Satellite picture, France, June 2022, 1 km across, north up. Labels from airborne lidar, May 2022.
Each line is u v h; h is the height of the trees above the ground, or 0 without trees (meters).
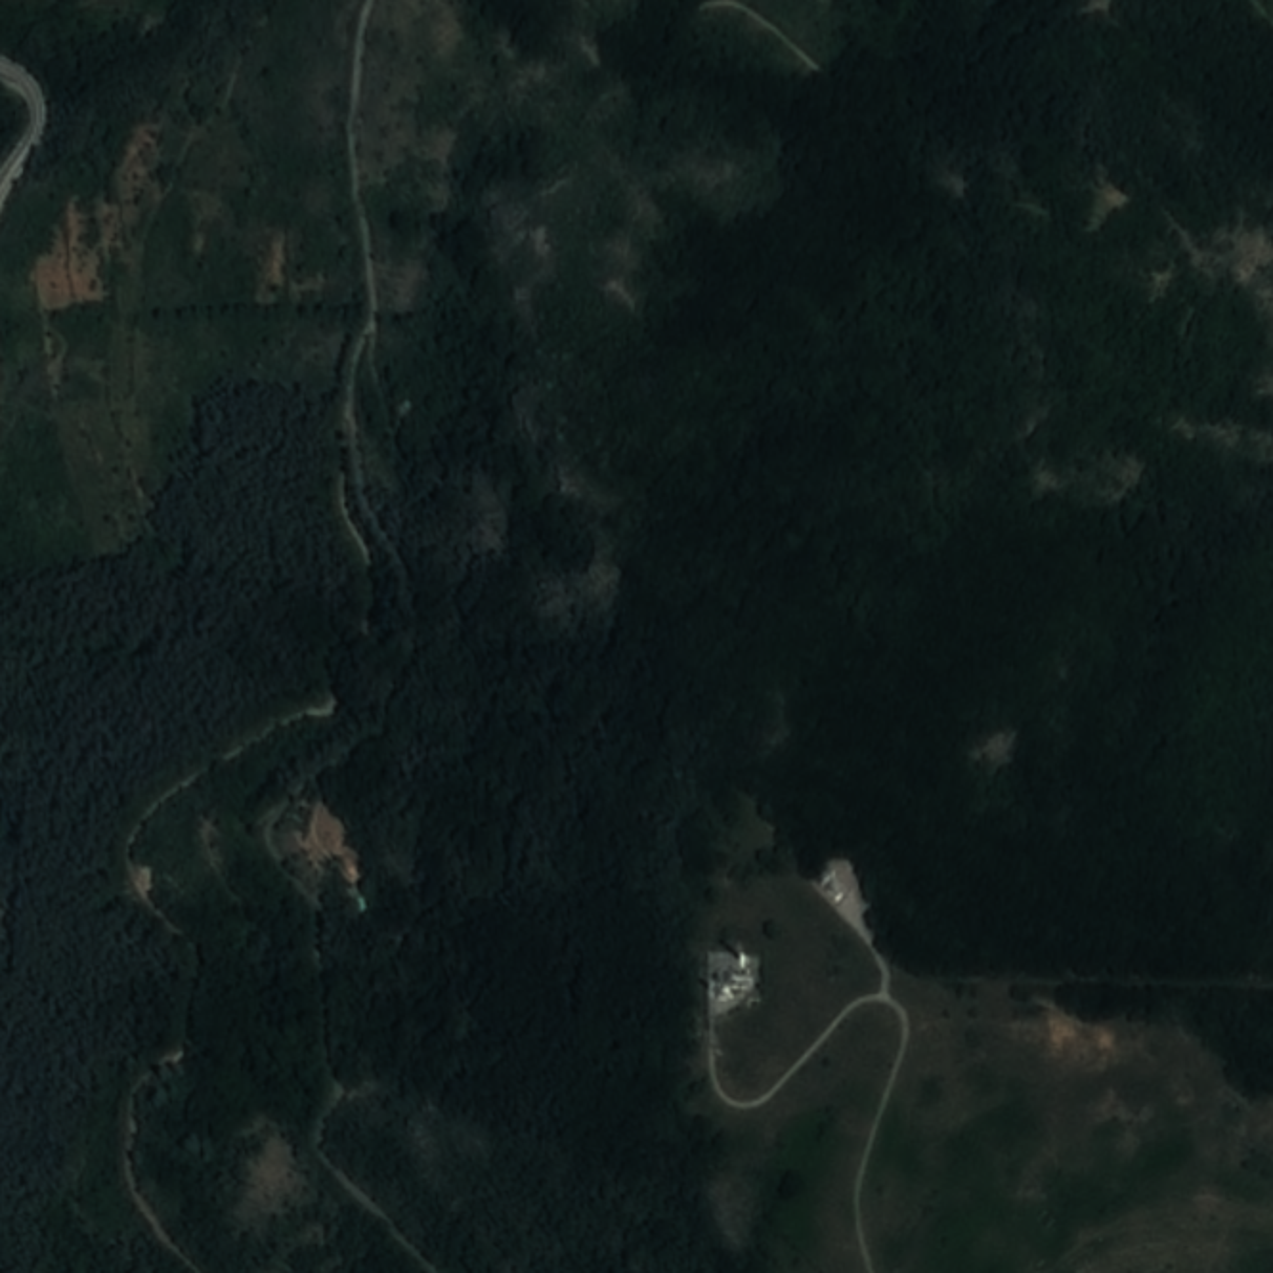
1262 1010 16
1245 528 29
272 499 22
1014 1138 0
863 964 0
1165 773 20
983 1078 0
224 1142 7
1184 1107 0
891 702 25
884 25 6
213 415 22
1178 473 12
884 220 17
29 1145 10
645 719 21
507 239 0
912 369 8
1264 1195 0
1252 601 21
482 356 6
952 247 9
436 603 20
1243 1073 8
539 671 19
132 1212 6
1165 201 7
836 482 18
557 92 7
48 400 6
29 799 21
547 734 20
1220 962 15
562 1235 11
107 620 24
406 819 9
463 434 9
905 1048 0
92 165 10
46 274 0
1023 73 23
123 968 22
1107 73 13
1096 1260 0
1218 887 10
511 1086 22
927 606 26
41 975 24
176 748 25
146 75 14
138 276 0
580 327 10
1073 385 13
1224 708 17
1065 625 17
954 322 14
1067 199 9
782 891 0
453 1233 8
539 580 8
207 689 23
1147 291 9
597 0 11
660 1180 10
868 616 14
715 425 11
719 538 16
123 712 23
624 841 14
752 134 13
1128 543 16
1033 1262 0
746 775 10
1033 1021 0
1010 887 19
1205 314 13
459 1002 14
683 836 8
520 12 17
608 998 25
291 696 17
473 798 19
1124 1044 0
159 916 10
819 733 18
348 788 15
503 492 9
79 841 22
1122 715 31
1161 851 18
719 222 17
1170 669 23
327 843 0
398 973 19
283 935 15
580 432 6
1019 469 14
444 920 20
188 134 0
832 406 22
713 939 0
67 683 19
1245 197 6
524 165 6
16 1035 18
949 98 27
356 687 19
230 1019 7
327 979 17
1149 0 14
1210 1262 0
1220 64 22
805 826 12
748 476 23
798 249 18
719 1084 0
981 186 9
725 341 15
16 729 16
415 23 0
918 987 0
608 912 21
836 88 19
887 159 19
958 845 22
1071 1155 0
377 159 0
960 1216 0
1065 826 7
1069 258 7
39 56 17
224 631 32
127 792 26
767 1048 0
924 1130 0
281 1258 6
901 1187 0
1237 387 13
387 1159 7
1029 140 11
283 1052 10
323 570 23
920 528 8
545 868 6
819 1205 0
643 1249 10
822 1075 0
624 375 11
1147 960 18
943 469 10
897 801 17
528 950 28
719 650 20
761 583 18
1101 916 21
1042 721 21
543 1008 26
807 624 18
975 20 6
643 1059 18
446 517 20
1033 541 23
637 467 10
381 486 7
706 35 6
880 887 15
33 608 16
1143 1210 0
